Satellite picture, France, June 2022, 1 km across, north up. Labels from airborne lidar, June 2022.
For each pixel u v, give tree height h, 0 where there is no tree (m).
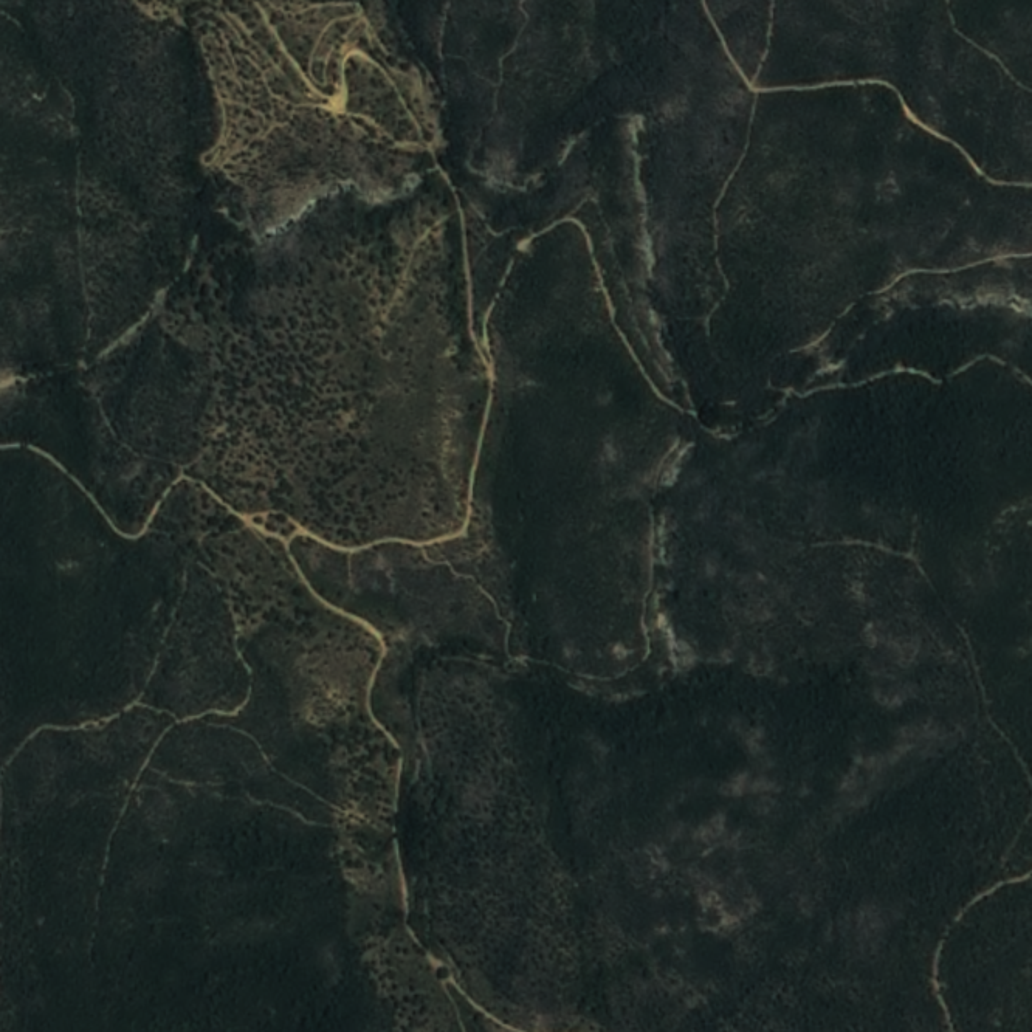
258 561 6
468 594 0
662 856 0
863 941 0
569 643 0
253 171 6
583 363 8
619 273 8
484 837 7
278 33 0
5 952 6
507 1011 7
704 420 16
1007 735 6
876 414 7
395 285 6
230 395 6
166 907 6
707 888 0
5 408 0
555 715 6
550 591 0
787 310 7
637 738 11
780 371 6
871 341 8
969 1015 7
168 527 6
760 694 10
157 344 6
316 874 7
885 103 9
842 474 7
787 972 8
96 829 6
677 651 0
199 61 6
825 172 8
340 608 0
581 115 7
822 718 7
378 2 0
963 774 7
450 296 7
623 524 10
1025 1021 8
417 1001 12
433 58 11
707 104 0
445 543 0
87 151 8
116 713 6
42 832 7
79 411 6
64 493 8
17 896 8
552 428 0
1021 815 6
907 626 8
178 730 6
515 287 7
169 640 6
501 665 8
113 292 6
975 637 6
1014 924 6
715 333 8
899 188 0
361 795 7
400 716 0
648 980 8
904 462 6
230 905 6
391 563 0
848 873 6
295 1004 11
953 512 7
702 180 6
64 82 7
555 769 14
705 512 0
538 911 6
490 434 0
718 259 6
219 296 11
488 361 0
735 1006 8
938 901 6
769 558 0
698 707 6
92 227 7
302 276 7
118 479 0
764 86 0
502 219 10
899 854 8
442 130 9
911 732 0
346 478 6
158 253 6
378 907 10
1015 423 7
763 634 8
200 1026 14
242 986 6
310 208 0
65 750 7
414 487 0
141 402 0
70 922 8
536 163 6
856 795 0
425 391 0
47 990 7
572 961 6
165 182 5
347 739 8
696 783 0
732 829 0
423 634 0
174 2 6
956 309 8
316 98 0
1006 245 0
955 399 8
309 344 7
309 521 7
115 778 7
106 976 7
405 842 9
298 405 7
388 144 9
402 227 0
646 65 6
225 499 6
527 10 0
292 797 6
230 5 8
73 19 8
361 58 0
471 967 8
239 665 7
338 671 0
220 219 7
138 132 6
